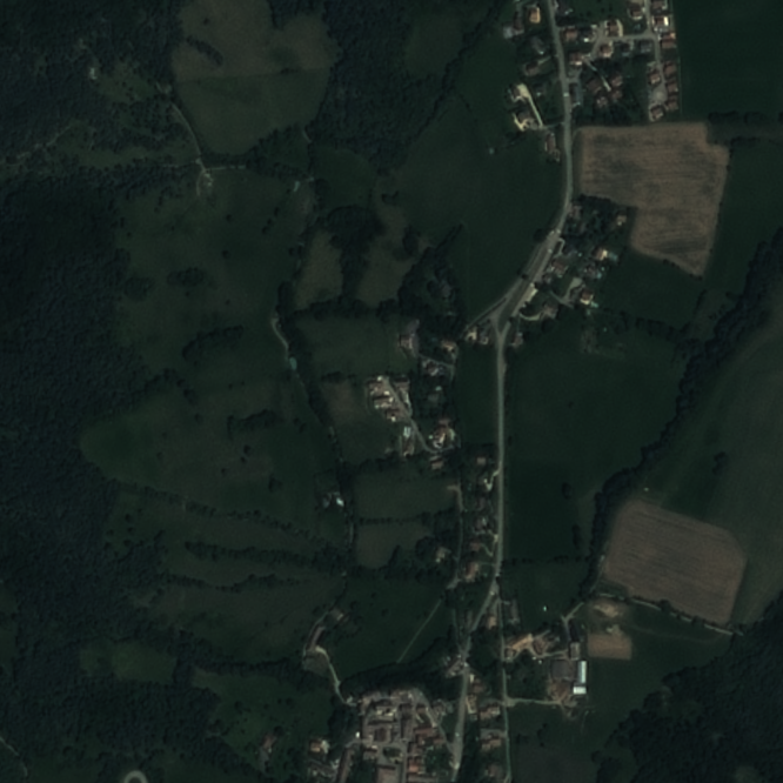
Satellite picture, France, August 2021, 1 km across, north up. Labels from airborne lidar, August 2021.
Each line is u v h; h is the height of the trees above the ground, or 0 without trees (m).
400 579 19
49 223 27
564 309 15
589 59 0
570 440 0
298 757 15
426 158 0
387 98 16
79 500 14
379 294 0
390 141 15
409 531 0
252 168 13
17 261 22
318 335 0
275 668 22
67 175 7
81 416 16
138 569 8
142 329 0
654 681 0
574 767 0
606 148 0
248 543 0
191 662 18
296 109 0
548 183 0
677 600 0
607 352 0
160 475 0
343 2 12
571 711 0
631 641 0
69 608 21
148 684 6
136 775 0
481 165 0
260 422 15
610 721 0
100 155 0
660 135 0
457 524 7
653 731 23
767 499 0
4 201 9
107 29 8
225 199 0
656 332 17
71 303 17
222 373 0
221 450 0
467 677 0
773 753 17
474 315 0
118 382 14
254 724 0
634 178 0
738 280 0
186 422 0
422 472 11
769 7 0
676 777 15
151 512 0
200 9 0
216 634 0
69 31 12
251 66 0
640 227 0
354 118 10
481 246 0
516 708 0
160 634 22
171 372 18
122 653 0
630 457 0
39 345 26
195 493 0
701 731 24
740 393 0
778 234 9
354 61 16
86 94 9
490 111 0
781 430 0
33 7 17
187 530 0
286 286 13
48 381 23
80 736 10
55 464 18
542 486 0
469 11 0
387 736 0
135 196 12
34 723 14
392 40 24
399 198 10
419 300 16
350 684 10
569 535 0
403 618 0
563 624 7
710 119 8
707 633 0
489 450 13
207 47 10
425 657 11
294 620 0
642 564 0
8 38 17
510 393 5
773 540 0
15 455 21
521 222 0
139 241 0
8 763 7
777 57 0
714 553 0
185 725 18
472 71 0
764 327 12
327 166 0
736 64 0
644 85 0
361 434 0
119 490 9
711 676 10
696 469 0
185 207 0
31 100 15
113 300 14
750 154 0
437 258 13
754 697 17
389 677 16
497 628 15
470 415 0
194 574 0
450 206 0
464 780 11
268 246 0
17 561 17
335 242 13
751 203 0
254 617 0
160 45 9
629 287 0
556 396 0
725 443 0
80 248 14
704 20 0
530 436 0
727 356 16
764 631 15
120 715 12
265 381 0
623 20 0
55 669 20
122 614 11
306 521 0
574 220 12
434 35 0
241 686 0
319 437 0
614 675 0
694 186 0
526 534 0
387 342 0
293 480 0
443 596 6
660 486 0
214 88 0
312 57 0
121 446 0
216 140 0
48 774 0
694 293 0
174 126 8
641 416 0
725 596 0
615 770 8
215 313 0
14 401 23
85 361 15
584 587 12
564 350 0
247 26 0
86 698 14
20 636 10
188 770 0
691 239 0
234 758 18
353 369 0
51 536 17
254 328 0
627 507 0
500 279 0
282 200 0
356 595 0
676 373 0
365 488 0
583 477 0
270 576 8
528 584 0
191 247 0
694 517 0
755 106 0
